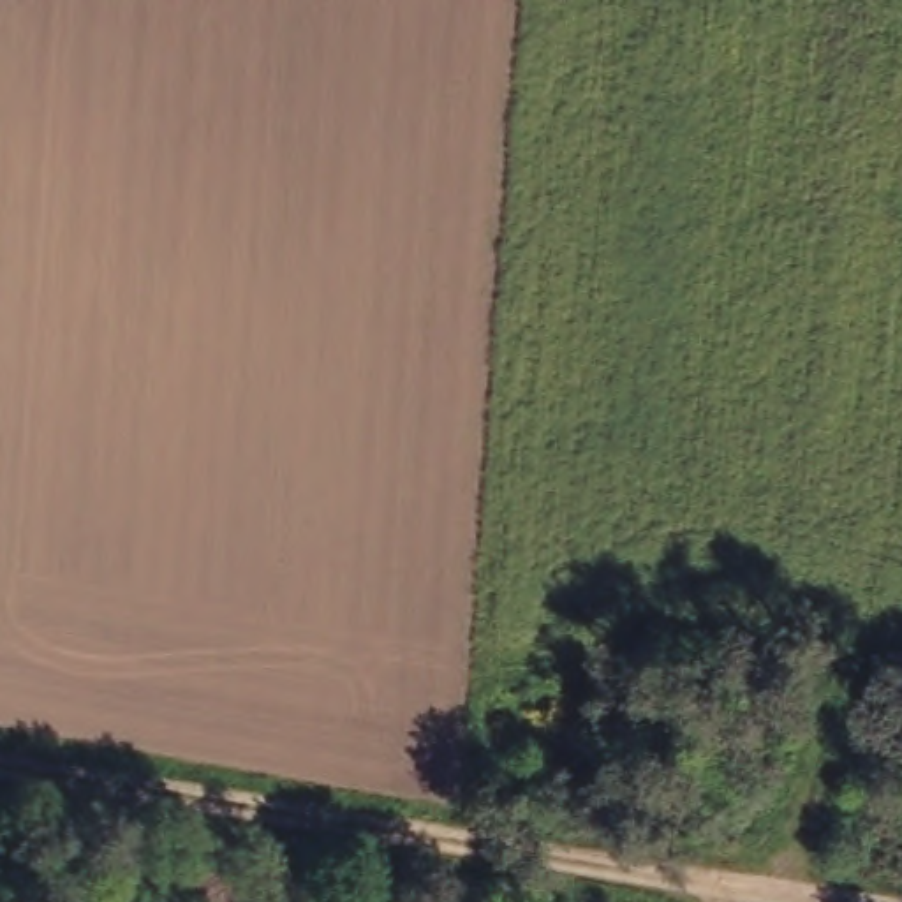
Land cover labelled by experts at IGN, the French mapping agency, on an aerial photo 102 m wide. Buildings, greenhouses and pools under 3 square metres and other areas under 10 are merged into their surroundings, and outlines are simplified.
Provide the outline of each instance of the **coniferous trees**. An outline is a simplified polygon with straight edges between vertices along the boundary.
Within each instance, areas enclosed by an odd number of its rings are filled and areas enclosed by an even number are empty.
[[[32,782],[28,803],[14,803],[0,817],[0,902],[92,902],[95,881],[109,870],[130,870],[141,881],[137,846],[159,856],[159,828],[176,828],[187,817],[187,803],[180,793],[166,793],[155,810],[130,824],[116,807],[106,807],[102,800],[63,800],[53,782]]]
[[[303,849],[292,849],[285,856],[282,842],[275,842],[261,828],[257,817],[204,821],[208,832],[218,839],[211,849],[215,874],[208,874],[197,884],[208,895],[208,902],[307,902],[335,888],[335,867],[356,853],[359,835],[349,821],[321,824],[303,842]]]
[[[409,828],[409,821],[402,817],[381,842],[381,853],[391,870],[388,902],[606,902],[603,881],[550,870],[550,846],[603,849],[631,867],[655,867],[666,881],[687,877],[687,867],[694,867],[694,842],[705,839],[712,814],[726,810],[740,793],[754,796],[758,789],[775,786],[782,779],[782,761],[775,758],[779,743],[817,743],[817,712],[824,705],[842,705],[846,691],[860,698],[846,722],[849,740],[860,750],[877,750],[884,758],[884,765],[877,765],[874,772],[884,789],[839,793],[835,786],[821,782],[810,803],[839,807],[842,814],[828,856],[807,853],[807,881],[817,888],[821,902],[902,902],[902,652],[860,652],[846,617],[828,610],[803,613],[789,595],[775,592],[768,578],[758,578],[750,592],[726,581],[708,599],[687,599],[669,610],[652,610],[648,617],[603,617],[585,648],[578,641],[553,645],[560,694],[511,708],[514,719],[543,726],[546,733],[539,747],[511,754],[507,765],[490,775],[486,793],[493,803],[493,839],[469,842],[465,856],[444,856],[430,839]]]

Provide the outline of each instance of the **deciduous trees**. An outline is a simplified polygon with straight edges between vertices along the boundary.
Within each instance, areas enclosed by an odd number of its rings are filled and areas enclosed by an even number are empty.
[[[335,867],[335,888],[307,902],[388,902],[391,870],[381,853],[381,842],[373,835],[359,835],[356,853]]]
[[[218,839],[208,832],[204,821],[201,814],[187,817],[176,828],[159,828],[159,856],[137,846],[141,881],[130,870],[109,870],[95,881],[92,902],[208,902],[208,895],[197,884],[208,874],[215,874],[211,849]]]

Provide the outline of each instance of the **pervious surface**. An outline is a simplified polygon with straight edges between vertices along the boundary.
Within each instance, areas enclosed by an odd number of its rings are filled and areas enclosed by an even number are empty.
[[[204,821],[257,817],[261,828],[275,842],[282,842],[285,856],[292,849],[303,849],[303,842],[321,824],[349,821],[359,835],[373,835],[381,842],[402,817],[366,807],[342,807],[331,789],[285,782],[264,800],[247,789],[201,789],[197,782],[183,779],[173,779],[166,786],[152,772],[155,758],[113,740],[60,740],[49,726],[0,726],[0,817],[14,803],[28,803],[32,782],[53,782],[63,800],[102,800],[106,807],[116,807],[130,824],[155,810],[166,793],[180,793],[187,803],[187,817],[201,814]]]
[[[440,821],[409,821],[409,828],[430,839],[444,856],[465,856],[469,842],[465,828]]]
[[[694,867],[687,867],[687,877],[666,881],[655,867],[631,867],[603,849],[550,846],[550,870],[603,881],[655,888],[666,895],[694,895],[701,902],[821,902],[817,888],[807,881],[807,853],[796,842],[793,849],[775,853],[761,874]]]

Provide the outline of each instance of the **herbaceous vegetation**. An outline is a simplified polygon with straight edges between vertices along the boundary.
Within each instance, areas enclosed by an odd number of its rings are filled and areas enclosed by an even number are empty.
[[[285,782],[264,772],[155,758],[152,772],[166,786],[173,779],[183,779],[197,782],[201,789],[247,789],[264,800]]]
[[[402,817],[409,821],[440,821],[465,828],[469,842],[493,839],[493,803],[476,810],[447,803],[437,793],[395,800],[356,789],[331,789],[342,807],[366,807]]]
[[[860,750],[849,740],[846,722],[860,698],[846,691],[842,705],[824,705],[817,712],[817,743],[779,743],[775,758],[782,761],[782,779],[775,786],[758,789],[754,796],[740,793],[726,810],[712,814],[705,839],[694,842],[694,867],[761,874],[775,853],[793,849],[796,842],[807,853],[828,856],[842,814],[839,807],[810,803],[821,782],[835,786],[839,793],[884,789],[874,772],[877,765],[884,765],[884,758],[877,750]]]

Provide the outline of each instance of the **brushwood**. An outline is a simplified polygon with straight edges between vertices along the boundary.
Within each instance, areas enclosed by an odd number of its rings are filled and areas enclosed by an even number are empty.
[[[606,902],[701,902],[694,895],[666,895],[655,888],[603,881]]]

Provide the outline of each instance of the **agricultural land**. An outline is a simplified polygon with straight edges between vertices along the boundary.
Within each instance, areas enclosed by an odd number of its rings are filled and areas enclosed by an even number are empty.
[[[493,803],[486,793],[490,775],[507,765],[511,754],[539,747],[546,733],[543,726],[514,719],[511,708],[560,694],[553,645],[578,641],[585,648],[603,617],[648,617],[652,610],[669,610],[687,599],[708,599],[726,581],[750,592],[758,578],[768,578],[775,592],[789,595],[803,613],[828,610],[846,617],[860,652],[902,652],[902,0],[0,0],[0,726],[49,726],[60,740],[113,740],[155,758],[264,772],[285,782],[331,789],[356,789],[395,800],[437,793],[447,803],[476,810]]]

